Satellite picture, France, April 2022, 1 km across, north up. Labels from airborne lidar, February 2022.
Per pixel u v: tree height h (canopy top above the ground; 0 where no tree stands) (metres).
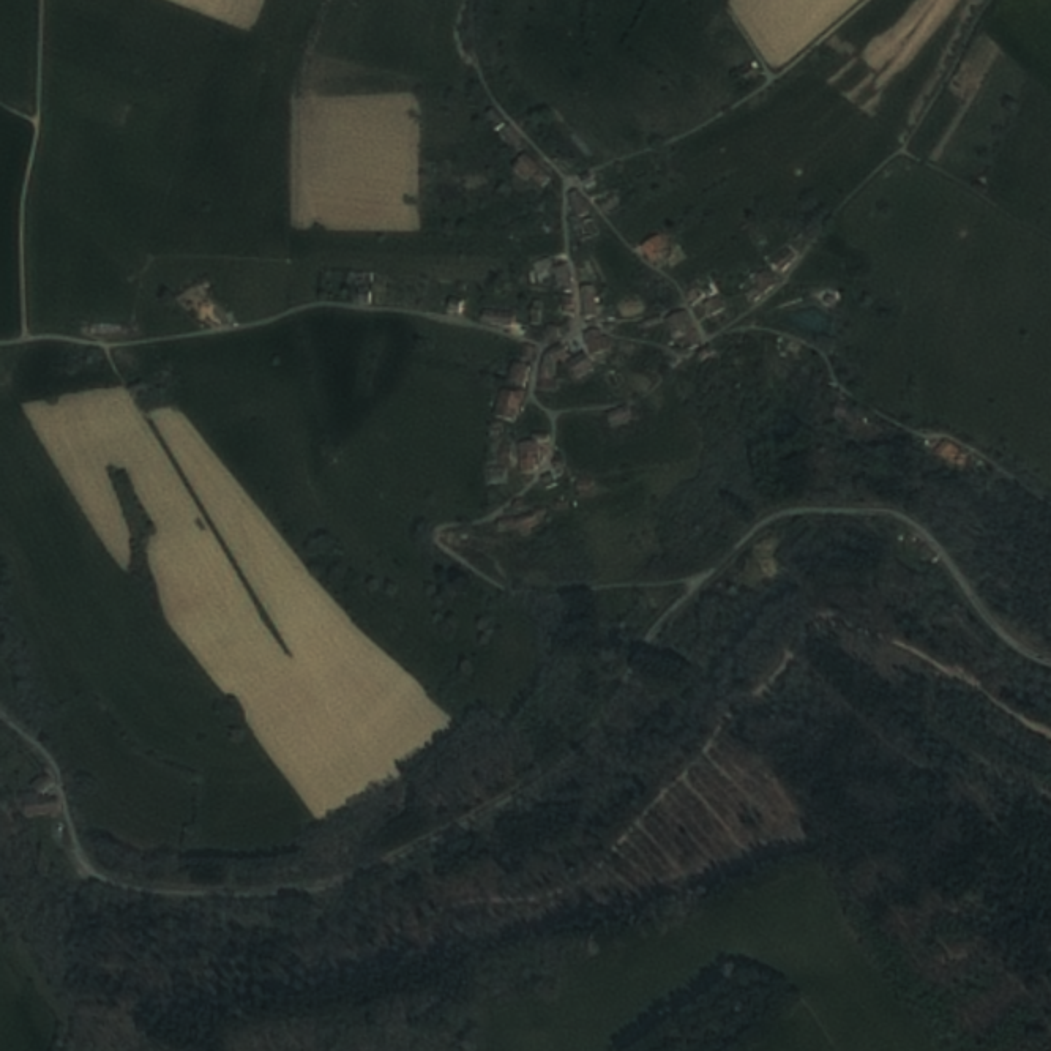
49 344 0
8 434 0
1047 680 18
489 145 0
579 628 31
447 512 0
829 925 0
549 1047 0
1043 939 19
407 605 0
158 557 0
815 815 16
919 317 0
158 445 0
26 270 0
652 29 0
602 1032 0
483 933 31
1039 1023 8
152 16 0
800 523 10
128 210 0
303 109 0
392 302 0
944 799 24
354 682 0
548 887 30
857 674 18
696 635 8
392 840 22
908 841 13
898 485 19
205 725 0
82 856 0
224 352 0
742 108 0
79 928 23
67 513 0
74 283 0
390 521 0
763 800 0
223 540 0
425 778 25
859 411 12
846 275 0
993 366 0
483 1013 18
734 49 0
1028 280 0
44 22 0
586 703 27
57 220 0
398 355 0
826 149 0
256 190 0
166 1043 16
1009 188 0
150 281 0
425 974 30
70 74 0
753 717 12
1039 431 0
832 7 0
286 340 0
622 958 0
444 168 7
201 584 0
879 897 14
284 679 0
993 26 0
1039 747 12
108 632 0
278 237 0
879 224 0
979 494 23
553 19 0
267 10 0
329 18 0
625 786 27
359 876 27
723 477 8
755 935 0
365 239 0
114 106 0
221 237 0
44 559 0
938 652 12
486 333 0
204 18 0
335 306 0
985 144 0
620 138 0
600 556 0
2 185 0
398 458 0
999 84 0
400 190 0
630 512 0
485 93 12
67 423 0
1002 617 13
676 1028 32
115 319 0
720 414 7
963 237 0
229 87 0
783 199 0
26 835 12
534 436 0
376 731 0
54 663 0
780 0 0
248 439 0
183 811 0
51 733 6
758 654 27
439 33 0
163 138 0
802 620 30
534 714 25
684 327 0
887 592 8
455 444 0
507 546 0
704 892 10
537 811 22
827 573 20
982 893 14
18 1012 0
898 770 16
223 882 24
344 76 0
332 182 0
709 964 0
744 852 0
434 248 0
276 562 0
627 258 0
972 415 0
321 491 0
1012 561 16
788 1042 0
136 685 0
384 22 0
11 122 0
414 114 8
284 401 0
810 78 0
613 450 0
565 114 0
